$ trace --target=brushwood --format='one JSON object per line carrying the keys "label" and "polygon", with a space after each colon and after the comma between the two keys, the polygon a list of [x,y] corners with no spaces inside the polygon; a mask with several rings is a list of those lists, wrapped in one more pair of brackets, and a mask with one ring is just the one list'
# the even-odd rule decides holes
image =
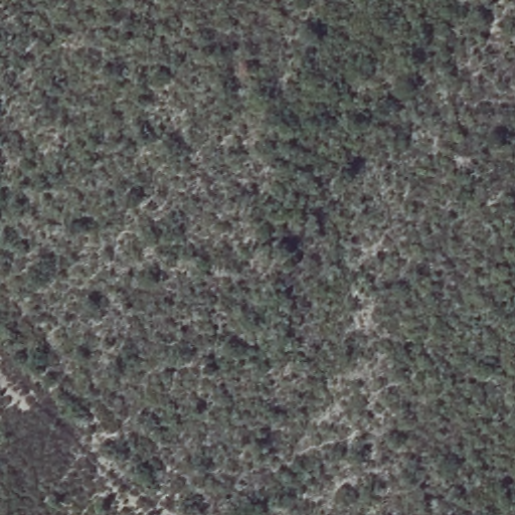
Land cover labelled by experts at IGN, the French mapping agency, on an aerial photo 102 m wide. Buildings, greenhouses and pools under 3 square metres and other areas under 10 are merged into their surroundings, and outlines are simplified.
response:
{"label": "brushwood", "polygon": [[515,0],[0,0],[0,515],[515,515]]}

